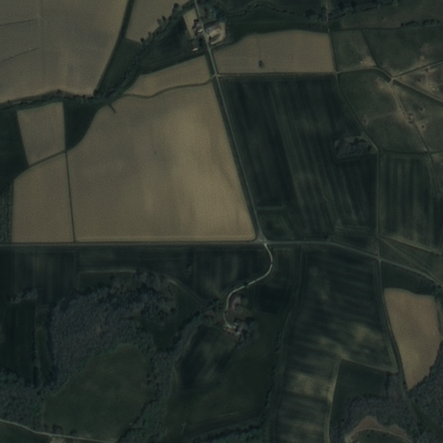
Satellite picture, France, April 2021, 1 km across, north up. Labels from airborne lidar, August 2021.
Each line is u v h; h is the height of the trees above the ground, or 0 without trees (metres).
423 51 0
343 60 0
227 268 0
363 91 0
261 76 0
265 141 0
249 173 0
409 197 0
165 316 10
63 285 0
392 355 0
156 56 0
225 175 0
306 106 0
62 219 0
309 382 0
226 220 0
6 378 21
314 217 0
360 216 0
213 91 0
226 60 0
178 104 0
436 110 0
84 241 0
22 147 0
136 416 0
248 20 0
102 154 0
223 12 9
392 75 0
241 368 0
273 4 0
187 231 0
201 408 0
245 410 0
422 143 0
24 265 0
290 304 0
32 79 0
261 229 0
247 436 16
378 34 0
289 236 0
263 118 0
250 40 0
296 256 0
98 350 15
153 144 0
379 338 0
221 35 0
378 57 0
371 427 0
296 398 0
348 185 0
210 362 0
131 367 0
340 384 0
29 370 0
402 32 0
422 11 0
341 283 0
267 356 0
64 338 20
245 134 0
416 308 0
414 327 0
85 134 0
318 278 0
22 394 15
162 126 0
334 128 0
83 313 18
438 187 0
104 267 0
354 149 18
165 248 0
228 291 0
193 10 0
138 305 22
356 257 0
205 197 0
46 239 0
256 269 0
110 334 20
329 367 0
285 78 0
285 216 0
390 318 0
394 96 0
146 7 0
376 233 0
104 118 0
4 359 0
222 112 0
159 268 0
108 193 0
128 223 0
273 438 0
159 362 20
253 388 0
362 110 0
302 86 0
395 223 0
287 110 0
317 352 0
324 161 0
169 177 0
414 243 0
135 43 0
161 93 0
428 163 0
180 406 0
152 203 0
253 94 0
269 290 0
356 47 0
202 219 0
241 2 0
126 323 23
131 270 0
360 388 0
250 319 0
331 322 0
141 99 0
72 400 0
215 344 0
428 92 0
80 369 15
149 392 0
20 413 19
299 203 0
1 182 0
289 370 0
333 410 0
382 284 0
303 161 0
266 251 0
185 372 0
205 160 0
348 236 0
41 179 0
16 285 0
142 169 0
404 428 14
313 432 0
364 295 0
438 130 0
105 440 0
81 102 14
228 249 0
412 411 16
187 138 0
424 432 17
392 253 0
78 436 16
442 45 0
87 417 0
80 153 0
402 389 15
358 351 0
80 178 0
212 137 0
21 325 0
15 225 0
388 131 0
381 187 0
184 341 22
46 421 0
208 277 0
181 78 0
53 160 0
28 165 0
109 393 0
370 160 0
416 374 0
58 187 0
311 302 0
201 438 0
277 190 0
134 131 0
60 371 24
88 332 20
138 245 0
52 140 0
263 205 0
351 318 0
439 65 0
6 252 0
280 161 0
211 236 0
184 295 0
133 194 0
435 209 0
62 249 0
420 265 0
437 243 0
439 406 22
